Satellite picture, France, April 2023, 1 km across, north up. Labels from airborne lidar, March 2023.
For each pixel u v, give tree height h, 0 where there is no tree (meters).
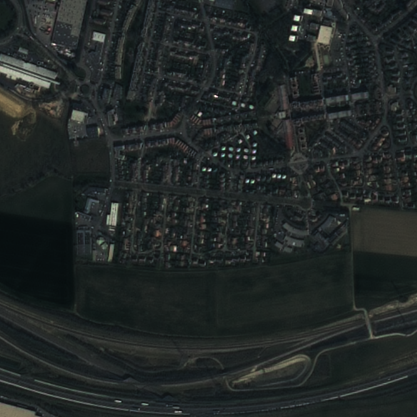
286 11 8
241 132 0
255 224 0
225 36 6
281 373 0
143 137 0
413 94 0
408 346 0
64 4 0
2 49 0
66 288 0
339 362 0
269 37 7
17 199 0
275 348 0
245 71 0
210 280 0
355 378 0
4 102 0
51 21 0
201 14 9
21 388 0
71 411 9
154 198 0
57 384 0
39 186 0
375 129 7
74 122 0
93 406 0
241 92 0
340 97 0
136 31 13
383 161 6
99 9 11
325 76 8
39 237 0
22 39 9
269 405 0
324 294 0
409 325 0
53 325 0
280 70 13
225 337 0
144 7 0
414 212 0
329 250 0
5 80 0
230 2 0
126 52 0
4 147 0
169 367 0
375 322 0
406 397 0
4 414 0
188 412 0
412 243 0
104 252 0
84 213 0
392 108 0
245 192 7
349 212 11
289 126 0
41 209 0
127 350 0
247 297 0
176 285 0
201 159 0
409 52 10
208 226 10
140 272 0
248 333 0
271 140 15
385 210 0
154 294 0
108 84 0
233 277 0
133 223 0
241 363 0
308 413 0
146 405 0
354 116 0
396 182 0
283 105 0
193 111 14
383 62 8
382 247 0
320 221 9
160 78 0
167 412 0
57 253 0
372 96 5
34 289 0
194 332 0
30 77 0
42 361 0
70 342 0
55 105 0
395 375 0
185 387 0
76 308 0
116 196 0
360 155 0
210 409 0
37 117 0
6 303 0
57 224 0
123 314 0
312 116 0
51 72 0
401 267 0
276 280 0
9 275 0
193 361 0
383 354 0
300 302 0
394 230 0
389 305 0
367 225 0
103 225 0
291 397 0
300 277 0
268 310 0
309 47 9
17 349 0
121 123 10
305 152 0
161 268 9
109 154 0
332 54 0
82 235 0
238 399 0
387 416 0
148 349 0
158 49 0
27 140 0
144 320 0
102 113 0
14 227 0
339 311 0
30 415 0
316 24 0
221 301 0
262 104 0
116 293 0
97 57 0
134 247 0
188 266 11
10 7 9
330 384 0
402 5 18
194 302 0
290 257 0
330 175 0
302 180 0
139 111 14
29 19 0
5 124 0
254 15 6
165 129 0
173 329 0
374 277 0
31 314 0
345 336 0
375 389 0
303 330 0
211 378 0
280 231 0
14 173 0
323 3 0
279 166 0
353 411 0
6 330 5
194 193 10
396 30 0
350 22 0
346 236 0
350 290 0
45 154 0
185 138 0
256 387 0
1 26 0
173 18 0
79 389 0
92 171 0
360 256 0
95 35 0
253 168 0
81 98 0
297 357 0
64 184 0
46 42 0
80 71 0
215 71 0
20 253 0
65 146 0
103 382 0
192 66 0
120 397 0
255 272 0
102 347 0
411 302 0
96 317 0
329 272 0
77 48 9
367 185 0
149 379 0
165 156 15
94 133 0
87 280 0
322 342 0
